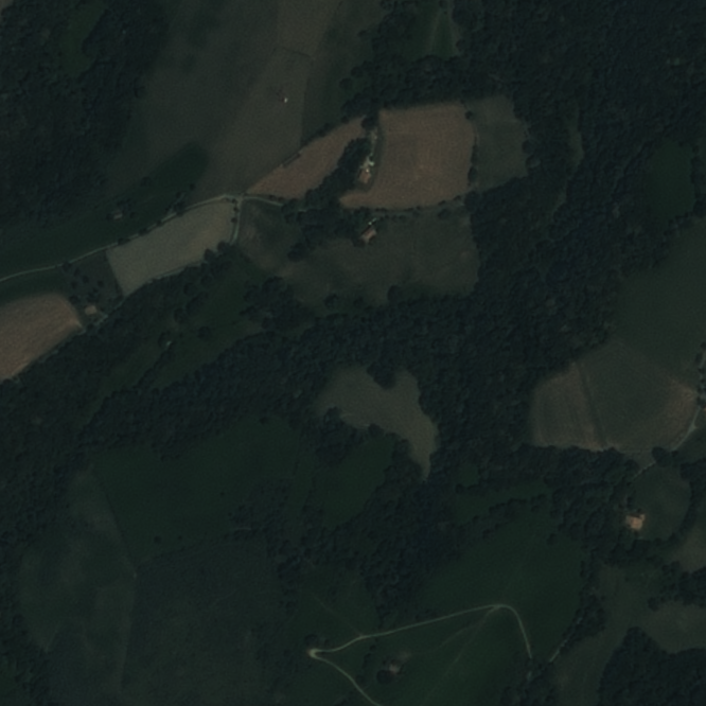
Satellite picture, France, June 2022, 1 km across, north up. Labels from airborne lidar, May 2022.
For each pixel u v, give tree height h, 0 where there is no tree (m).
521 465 16
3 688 0
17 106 20
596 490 24
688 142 13
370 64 9
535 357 24
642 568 0
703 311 0
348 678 0
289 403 11
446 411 25
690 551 0
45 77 24
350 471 0
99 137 18
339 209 16
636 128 32
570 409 0
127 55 18
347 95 0
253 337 11
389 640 0
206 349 0
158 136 0
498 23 17
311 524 12
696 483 17
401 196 0
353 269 0
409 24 13
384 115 0
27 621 11
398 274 0
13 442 21
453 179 0
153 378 16
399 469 15
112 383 0
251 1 0
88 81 22
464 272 0
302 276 0
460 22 17
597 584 12
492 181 0
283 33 0
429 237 0
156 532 0
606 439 0
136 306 14
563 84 23
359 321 10
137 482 0
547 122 22
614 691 24
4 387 15
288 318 17
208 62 0
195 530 0
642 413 0
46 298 0
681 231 13
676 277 0
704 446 0
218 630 0
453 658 0
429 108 0
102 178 8
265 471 0
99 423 20
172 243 0
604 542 17
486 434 22
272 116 0
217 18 0
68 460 20
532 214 24
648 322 0
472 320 22
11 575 22
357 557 10
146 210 0
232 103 0
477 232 16
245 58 0
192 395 30
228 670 0
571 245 25
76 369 19
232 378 23
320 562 12
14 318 0
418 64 7
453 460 21
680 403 0
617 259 26
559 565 0
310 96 0
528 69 18
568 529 11
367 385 0
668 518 0
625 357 0
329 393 0
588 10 22
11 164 18
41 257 0
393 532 15
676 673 22
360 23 0
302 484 0
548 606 0
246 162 0
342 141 0
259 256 0
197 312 15
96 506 0
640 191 18
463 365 26
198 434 11
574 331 22
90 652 0
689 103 24
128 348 22
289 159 0
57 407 29
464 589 0
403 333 29
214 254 11
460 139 0
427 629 0
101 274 0
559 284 30
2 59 16
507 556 0
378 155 0
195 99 0
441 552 17
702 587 11
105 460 0
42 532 6
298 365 21
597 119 15
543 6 24
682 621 0
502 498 0
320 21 0
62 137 23
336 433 21
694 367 0
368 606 0
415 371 16
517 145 0
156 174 0
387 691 0
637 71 24
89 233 0
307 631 0
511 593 0
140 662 0
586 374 0
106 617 0
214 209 0
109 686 0
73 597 0
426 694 0
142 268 0
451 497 14
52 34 25
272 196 7
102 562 0
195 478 0
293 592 10
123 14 26
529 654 6
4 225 13
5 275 0
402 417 0
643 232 23
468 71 15
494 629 0
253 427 0
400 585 28
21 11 9
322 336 30
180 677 0
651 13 26
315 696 0
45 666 9
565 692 0
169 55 0
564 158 22
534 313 20
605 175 22
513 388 27
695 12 27
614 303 22
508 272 16
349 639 0
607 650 0
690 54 23
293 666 9
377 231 8
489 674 0
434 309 18
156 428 18
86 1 21
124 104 19
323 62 0
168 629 0
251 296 17
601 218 20
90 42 21
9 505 30
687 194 0
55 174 28
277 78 0
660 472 0
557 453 14
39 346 0
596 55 21
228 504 0
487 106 0
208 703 0
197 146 0
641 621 0
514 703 14
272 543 12
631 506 11
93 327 15
